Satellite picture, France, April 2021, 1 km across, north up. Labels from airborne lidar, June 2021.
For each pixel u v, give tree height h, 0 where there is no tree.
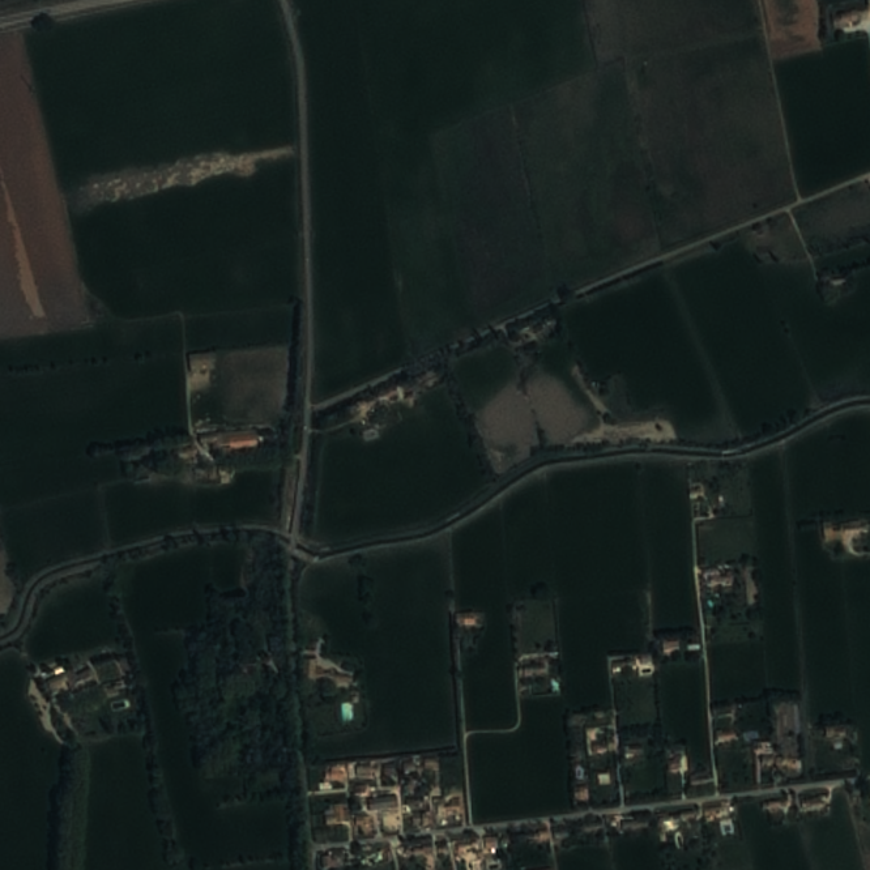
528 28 0
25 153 0
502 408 0
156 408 0
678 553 0
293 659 15
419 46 0
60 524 0
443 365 13
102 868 0
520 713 0
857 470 0
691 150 0
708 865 6
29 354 0
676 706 0
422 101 0
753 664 0
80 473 0
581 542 0
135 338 0
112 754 0
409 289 0
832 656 0
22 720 0
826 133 0
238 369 0
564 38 0
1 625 6
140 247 0
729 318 0
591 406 0
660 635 13
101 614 0
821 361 0
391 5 0
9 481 0
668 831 11
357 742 0
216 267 0
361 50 0
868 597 0
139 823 0
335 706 7
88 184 0
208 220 0
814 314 0
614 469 0
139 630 0
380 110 0
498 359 0
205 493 0
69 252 0
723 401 0
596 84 0
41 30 9
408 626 0
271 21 0
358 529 0
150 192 0
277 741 21
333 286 0
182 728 0
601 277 0
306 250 0
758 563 11
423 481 0
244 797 10
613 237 0
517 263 0
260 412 0
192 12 0
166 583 0
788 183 0
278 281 0
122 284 0
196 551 0
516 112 0
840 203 0
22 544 0
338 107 0
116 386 0
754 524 0
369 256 0
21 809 0
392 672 0
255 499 0
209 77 0
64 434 0
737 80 0
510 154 0
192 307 0
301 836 22
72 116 0
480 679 0
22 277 0
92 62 0
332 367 0
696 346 0
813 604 0
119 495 0
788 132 0
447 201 0
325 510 0
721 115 0
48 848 0
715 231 0
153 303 0
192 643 16
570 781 6
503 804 0
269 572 16
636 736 11
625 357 0
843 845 0
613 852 0
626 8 0
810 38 0
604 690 0
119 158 0
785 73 0
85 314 0
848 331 0
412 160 0
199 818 0
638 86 0
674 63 0
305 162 0
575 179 0
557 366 0
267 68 0
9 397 0
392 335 0
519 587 0
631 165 0
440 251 0
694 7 0
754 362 0
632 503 0
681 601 0
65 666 9
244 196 0
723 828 0
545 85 0
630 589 0
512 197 0
